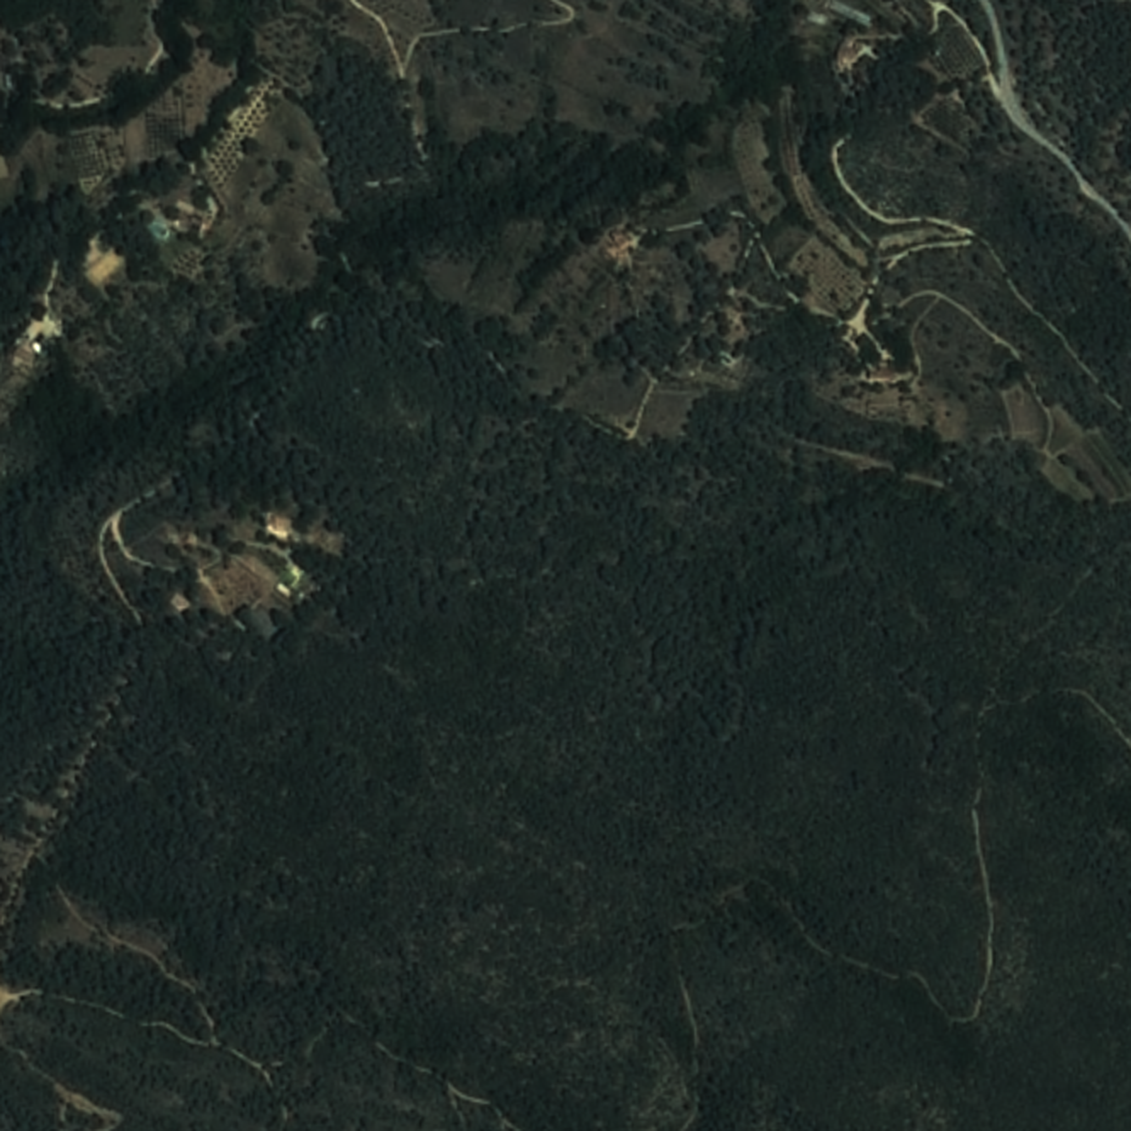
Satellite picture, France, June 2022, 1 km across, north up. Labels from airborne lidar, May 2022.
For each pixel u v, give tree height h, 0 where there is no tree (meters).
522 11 0
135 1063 8
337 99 15
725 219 11
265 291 8
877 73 14
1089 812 6
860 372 8
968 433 0
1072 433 0
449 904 9
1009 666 8
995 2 0
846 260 7
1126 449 6
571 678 9
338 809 8
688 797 7
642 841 10
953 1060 6
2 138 15
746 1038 7
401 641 12
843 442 15
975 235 10
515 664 9
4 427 8
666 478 14
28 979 7
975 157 7
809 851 6
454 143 10
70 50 7
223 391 14
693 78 0
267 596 0
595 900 8
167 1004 9
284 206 0
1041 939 5
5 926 7
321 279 6
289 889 17
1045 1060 7
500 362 13
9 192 0
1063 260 10
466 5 0
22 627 20
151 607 19
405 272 19
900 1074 7
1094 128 14
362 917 6
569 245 12
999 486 12
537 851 6
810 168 14
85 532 8
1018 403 0
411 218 18
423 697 7
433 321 14
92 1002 6
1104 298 9
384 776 7
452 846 6
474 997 6
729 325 10
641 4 5
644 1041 7
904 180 6
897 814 7
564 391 12
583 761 9
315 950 15
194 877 17
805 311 12
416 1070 11
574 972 7
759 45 11
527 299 8
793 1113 10
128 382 7
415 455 7
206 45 13
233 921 15
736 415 8
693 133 16
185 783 14
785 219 10
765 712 8
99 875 17
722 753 8
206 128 13
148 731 14
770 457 14
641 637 6
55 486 14
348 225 12
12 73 14
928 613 7
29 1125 10
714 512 15
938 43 8
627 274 9
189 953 13
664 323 15
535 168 13
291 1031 14
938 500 8
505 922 7
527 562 11
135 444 14
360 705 6
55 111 10
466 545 10
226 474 10
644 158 17
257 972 8
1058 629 6
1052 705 7
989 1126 6
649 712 11
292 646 17
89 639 21
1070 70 8
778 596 6
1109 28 14
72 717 18
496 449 9
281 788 7
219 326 22
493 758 7
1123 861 7
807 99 7
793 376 13
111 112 15
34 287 9
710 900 9
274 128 0
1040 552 17
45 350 8
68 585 21
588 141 6
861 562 13
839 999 6
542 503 18
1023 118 0
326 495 6
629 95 0
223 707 7
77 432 16
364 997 6
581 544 8
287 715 7
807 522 14
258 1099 13
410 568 17
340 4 9
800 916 8
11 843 15
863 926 9
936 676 6
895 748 6
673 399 0
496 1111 7
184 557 7
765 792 7
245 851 6
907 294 8
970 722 6
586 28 7
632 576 13
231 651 17
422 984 12
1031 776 7
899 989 6
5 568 21
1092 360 9
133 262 9
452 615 17
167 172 19
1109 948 6
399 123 15
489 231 19
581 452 7
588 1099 6
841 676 6
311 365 14
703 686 19
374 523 11
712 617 12
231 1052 7
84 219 10
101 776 17
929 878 7
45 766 14
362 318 15
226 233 0
